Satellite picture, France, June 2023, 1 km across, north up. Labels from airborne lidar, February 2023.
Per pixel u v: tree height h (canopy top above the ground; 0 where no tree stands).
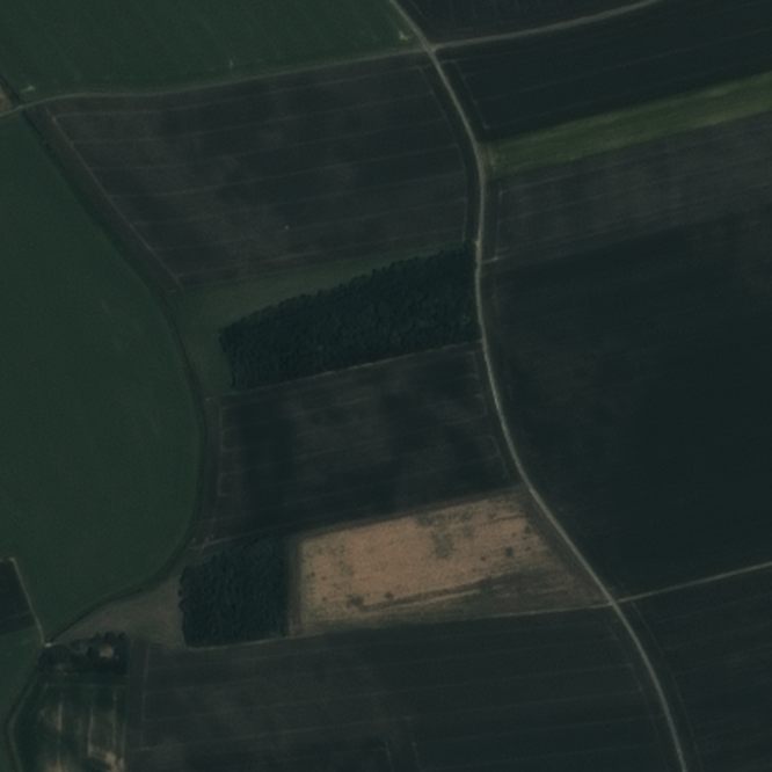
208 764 0
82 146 0
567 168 0
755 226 0
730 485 0
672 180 0
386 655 0
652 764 0
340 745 0
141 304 0
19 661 0
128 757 0
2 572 0
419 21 0
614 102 0
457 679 0
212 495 0
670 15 0
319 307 12
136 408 0
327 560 0
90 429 0
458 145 0
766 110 0
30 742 0
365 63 0
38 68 0
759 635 0
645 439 0
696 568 0
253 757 0
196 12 0
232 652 0
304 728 0
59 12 0
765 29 0
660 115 0
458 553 0
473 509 0
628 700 0
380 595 0
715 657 0
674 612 0
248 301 0
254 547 16
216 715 0
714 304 0
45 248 0
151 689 0
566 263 0
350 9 0
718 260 0
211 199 0
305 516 0
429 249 0
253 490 0
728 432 0
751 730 0
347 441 0
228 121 0
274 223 0
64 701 0
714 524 0
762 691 0
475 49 0
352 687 0
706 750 0
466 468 0
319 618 0
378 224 0
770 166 0
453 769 0
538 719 0
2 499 0
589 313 0
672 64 0
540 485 0
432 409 0
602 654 0
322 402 0
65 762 0
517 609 0
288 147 0
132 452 0
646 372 0
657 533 0
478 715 0
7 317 0
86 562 0
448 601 0
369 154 0
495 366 0
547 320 0
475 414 0
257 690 0
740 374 0
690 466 0
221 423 0
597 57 0
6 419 0
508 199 0
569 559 0
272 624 15
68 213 0
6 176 0
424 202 0
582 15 0
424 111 0
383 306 18
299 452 0
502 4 0
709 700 0
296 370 16
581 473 0
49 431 0
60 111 0
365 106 0
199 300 0
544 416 0
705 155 0
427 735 0
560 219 0
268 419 0
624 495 0
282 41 0
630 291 0
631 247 0
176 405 0
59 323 0
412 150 0
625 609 0
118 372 0
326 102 0
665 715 0
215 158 0
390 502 0
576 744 0
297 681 0
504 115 0
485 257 0
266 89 0
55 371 0
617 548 0
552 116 0
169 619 0
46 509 0
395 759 0
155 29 0
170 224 0
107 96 0
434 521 0
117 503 0
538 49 0
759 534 0
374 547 0
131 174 0
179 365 0
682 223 0
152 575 0
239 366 14
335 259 0
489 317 0
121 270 0
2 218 0
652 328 0
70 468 0
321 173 0
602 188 0
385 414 0
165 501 0
